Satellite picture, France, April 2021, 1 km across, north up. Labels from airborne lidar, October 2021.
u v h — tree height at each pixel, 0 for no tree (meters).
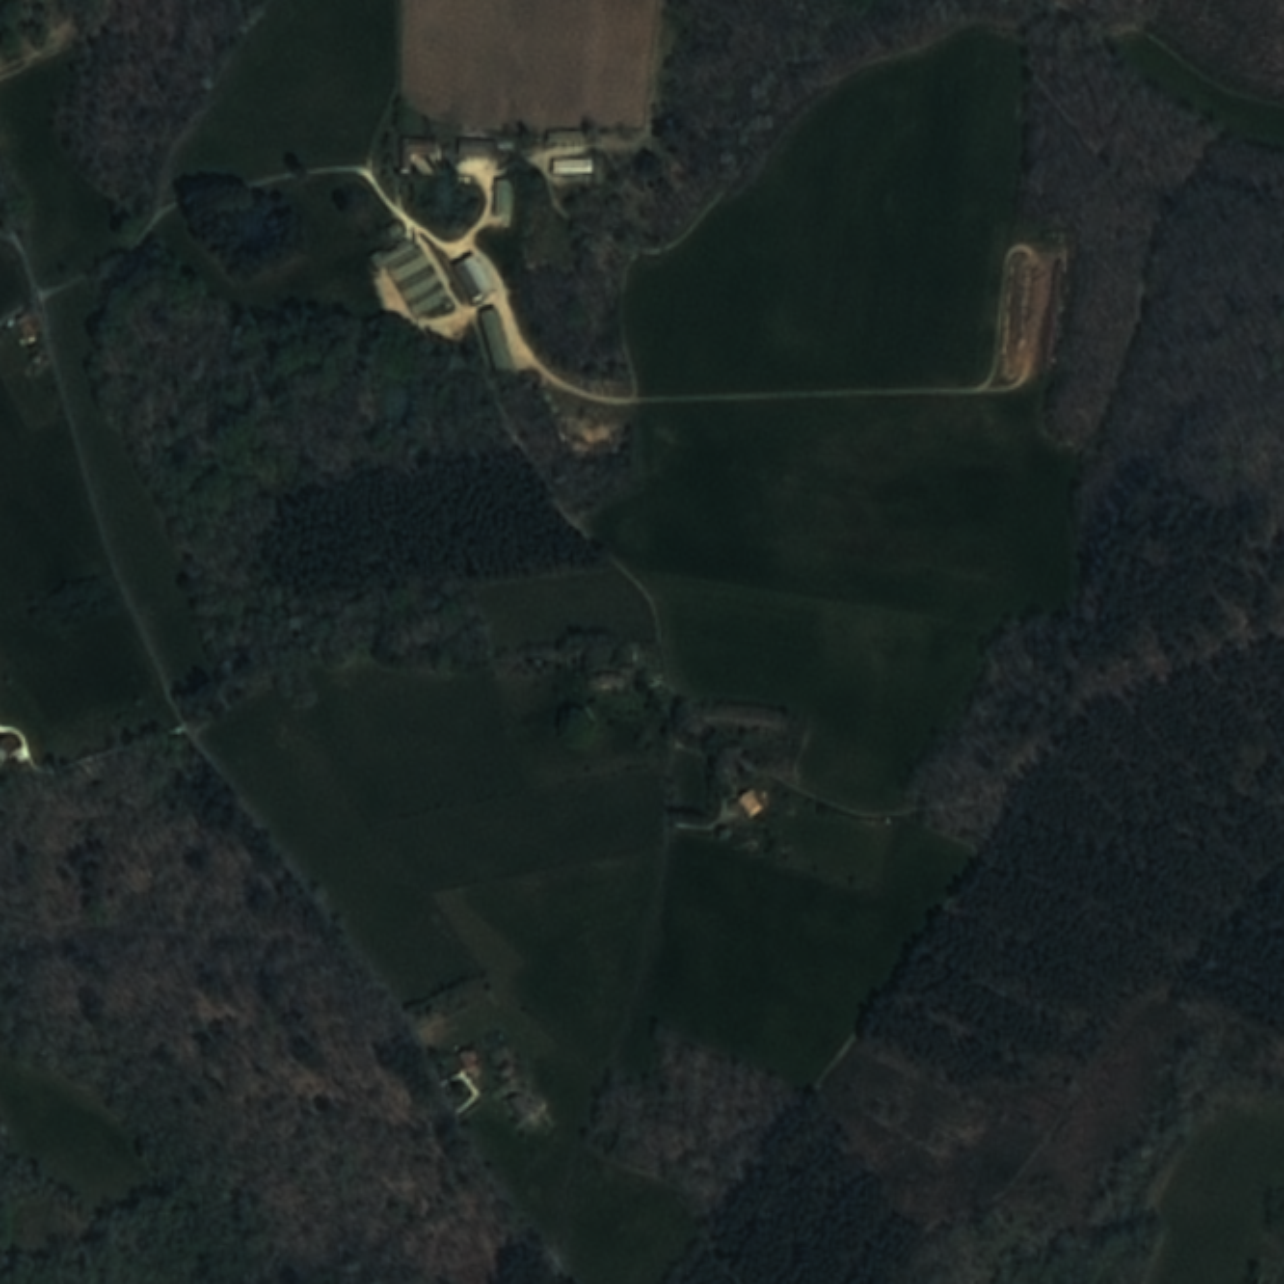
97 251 0
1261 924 13
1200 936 22
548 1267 21
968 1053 20
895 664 0
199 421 19
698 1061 17
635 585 0
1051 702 22
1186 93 0
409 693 0
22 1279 22
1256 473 20
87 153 14
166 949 9
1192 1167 0
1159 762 20
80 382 0
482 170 0
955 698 0
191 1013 16
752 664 0
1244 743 22
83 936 9
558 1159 0
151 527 0
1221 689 17
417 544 20
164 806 15
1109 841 19
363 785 0
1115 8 14
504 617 0
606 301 17
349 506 20
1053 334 0
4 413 0
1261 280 19
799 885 0
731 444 0
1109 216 11
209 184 0
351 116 0
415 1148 16
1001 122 0
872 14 17
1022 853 19
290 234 22
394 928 0
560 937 0
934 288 0
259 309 0
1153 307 13
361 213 17
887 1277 21
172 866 12
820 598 0
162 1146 19
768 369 0
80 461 0
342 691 0
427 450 10
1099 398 12
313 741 0
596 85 0
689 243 0
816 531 0
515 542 19
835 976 0
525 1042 0
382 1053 14
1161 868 23
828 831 0
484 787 0
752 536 0
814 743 0
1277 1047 17
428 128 6
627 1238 0
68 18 18
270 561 21
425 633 25
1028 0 22
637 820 0
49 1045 23
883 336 0
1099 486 10
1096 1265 21
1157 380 11
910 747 0
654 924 0
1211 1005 22
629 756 0
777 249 0
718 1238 18
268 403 21
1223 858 16
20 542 0
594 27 0
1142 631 23
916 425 0
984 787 18
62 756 0
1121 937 22
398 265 0
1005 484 0
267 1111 8
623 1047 0
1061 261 0
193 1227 18
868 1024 16
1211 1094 13
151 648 0
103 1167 0
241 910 11
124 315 20
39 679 0
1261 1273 12
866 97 0
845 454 0
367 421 9
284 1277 13
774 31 20
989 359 0
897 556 0
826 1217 15
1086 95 10
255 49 0
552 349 13
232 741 0
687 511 0
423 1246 11
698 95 15
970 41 0
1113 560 22
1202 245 18
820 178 0
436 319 0
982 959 21
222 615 17
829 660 0
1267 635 21
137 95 8
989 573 0
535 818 0
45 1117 0
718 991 0
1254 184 11
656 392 0
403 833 0
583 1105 0
